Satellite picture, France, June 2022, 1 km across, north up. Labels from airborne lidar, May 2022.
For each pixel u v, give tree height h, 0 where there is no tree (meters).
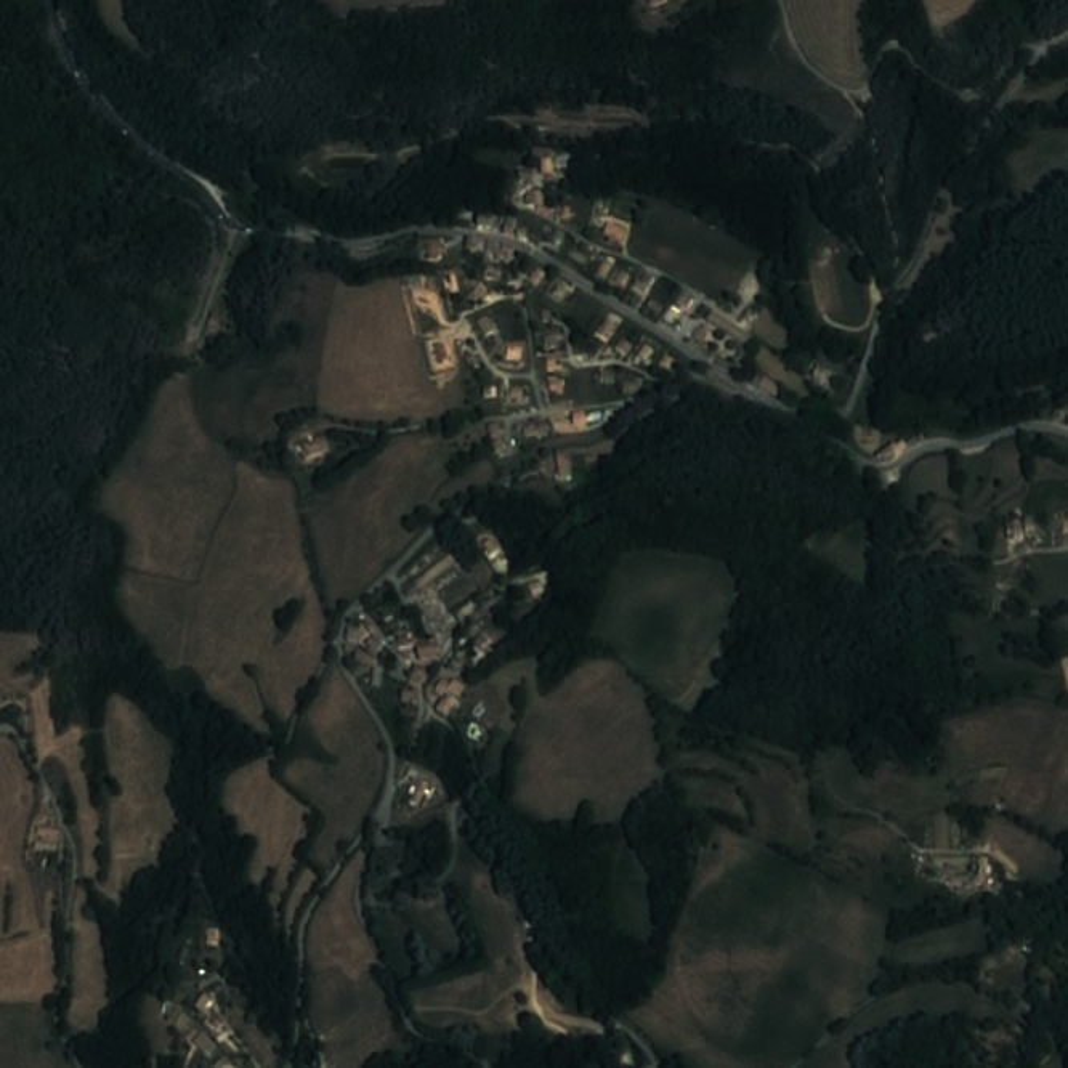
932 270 23
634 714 0
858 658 31
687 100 7
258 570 0
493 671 10
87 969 0
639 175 12
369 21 14
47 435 17
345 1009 0
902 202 8
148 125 18
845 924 0
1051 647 15
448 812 0
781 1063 0
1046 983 15
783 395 13
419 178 22
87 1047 18
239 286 22
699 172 14
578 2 25
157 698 20
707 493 19
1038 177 0
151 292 13
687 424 19
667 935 15
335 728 0
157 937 9
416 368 0
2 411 23
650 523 20
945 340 12
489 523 14
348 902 0
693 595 0
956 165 17
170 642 0
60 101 21
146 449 0
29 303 29
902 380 13
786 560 18
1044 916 15
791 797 0
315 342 0
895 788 0
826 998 0
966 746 0
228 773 11
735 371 13
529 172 0
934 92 13
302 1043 9
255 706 0
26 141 23
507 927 0
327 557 0
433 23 15
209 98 7
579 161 24
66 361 17
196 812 19
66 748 0
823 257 0
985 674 9
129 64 16
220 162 21
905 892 9
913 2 6
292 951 14
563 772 0
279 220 16
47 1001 12
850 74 0
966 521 0
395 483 0
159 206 15
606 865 18
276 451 10
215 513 0
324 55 14
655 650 0
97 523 21
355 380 0
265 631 0
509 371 0
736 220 19
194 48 12
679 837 6
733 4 14
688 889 13
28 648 0
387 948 10
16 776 0
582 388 0
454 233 0
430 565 0
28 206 25
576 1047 32
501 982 0
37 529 18
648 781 0
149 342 11
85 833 0
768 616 21
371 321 0
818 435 18
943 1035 19
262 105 12
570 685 0
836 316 0
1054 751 0
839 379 13
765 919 0
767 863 0
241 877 13
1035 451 17
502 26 14
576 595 16
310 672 0
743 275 0
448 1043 17
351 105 14
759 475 22
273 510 0
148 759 0
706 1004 0
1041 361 23
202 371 0
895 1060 21
